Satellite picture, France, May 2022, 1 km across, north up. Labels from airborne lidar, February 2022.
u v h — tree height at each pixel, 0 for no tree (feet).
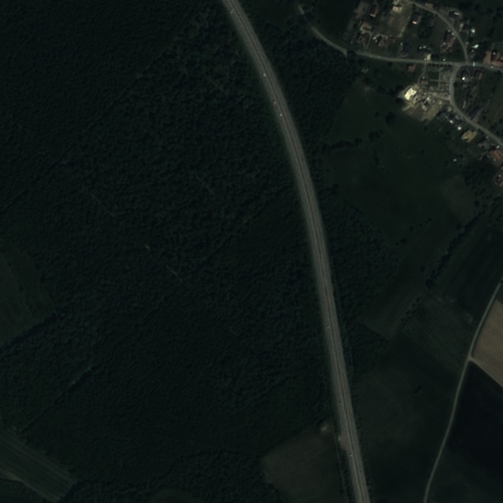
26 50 61
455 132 0
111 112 70
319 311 26
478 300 0
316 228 0
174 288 60
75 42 63
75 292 85
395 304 0
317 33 0
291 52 82
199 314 52
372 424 0
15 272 18
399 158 0
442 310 0
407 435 0
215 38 81
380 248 82
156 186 92
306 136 43
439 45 0
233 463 56
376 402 0
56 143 63
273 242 46
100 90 60
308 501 0
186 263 64
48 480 0
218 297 49
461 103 0
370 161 0
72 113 68
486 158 27
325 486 0
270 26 34
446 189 0
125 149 69
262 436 35
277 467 0
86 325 92
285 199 52
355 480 0
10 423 50
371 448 0
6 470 0
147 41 71
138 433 48
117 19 64
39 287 0
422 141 0
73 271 70
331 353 0
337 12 0
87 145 72
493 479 0
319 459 0
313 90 63
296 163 0
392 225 0
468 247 0
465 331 0
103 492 66
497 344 0
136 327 47
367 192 0
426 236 0
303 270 50
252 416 37
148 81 60
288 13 0
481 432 0
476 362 0
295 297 79
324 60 87
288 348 70
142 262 75
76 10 58
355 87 0
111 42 66
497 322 0
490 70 0
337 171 0
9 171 59
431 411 0
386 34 0
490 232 0
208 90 80
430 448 0
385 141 0
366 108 0
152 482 49
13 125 63
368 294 57
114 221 50
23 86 72
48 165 52
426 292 0
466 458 0
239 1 0
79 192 69
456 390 0
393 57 0
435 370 0
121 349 43
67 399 52
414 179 0
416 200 0
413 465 0
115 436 52
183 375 49
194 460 51
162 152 92
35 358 64
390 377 0
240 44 23
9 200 51
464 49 0
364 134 0
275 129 23
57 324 79
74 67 71
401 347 0
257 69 0
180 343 50
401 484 0
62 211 71
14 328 0
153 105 89
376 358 38
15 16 66
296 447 0
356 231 78
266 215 39
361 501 0
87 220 67
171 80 31
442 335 0
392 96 40
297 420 37
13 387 69
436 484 0
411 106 0
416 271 0
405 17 0
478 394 0
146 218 78
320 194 47
